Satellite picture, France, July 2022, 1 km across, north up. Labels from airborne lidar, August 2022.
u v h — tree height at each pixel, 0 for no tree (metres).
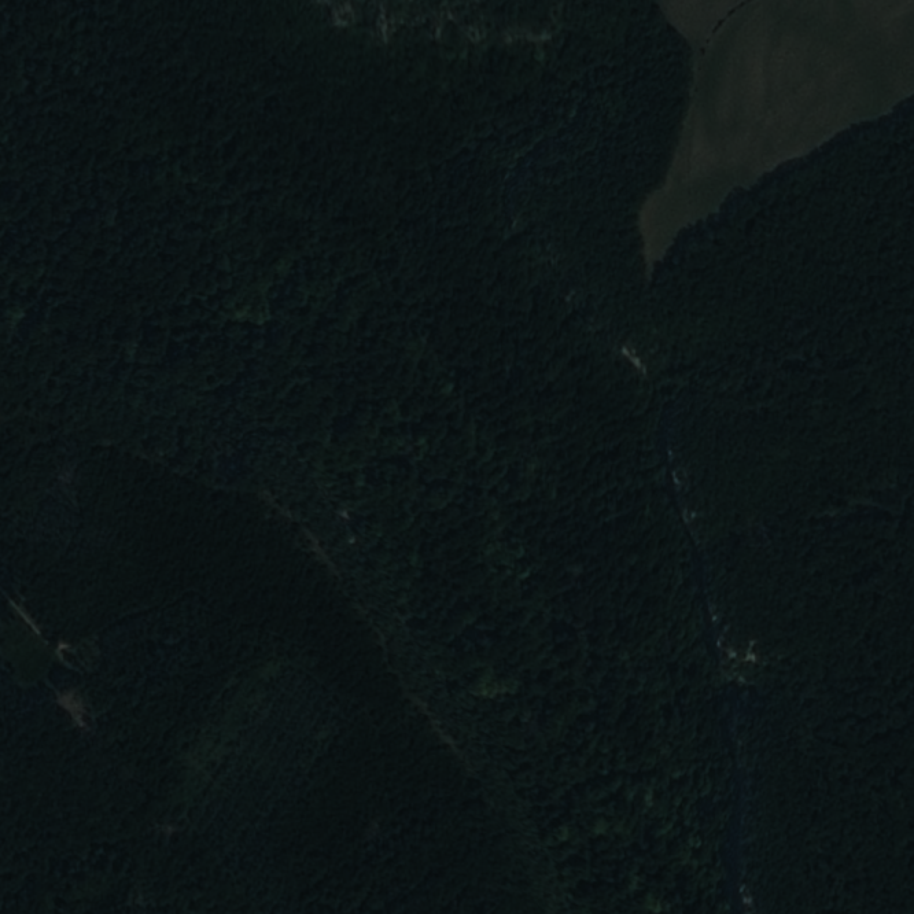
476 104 25
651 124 25
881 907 19
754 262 14
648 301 13
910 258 17
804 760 18
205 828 7
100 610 11
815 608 16
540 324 29
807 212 15
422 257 23
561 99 35
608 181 18
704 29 0
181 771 11
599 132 17
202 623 15
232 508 14
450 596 30
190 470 17
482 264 29
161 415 22
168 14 26
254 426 17
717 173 0
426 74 29
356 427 43
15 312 37
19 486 9
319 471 23
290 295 33
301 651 14
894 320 19
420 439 29
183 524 12
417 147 33
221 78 23
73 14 27
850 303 21
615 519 33
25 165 30
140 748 10
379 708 10
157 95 24
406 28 8
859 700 24
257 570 12
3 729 15
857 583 19
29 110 25
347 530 42
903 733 30
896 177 20
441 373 24
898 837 24
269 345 39
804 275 13
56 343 25
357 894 21
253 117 19
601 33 11
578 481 22
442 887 23
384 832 13
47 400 28
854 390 18
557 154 14
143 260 38
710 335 10
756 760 9
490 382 30
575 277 12
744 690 16
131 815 20
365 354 27
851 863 24
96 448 10
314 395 37
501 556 24
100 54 23
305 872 12
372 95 22
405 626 45
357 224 19
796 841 18
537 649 33
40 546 12
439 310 33
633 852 34
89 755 21
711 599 10
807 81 0
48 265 32
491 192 29
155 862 11
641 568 30
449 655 31
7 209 34
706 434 15
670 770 24
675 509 11
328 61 22
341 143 27
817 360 20
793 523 19
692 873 26
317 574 7
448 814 20
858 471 20
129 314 35
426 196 23
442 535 33
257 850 11
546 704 29
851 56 0
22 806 20
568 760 34
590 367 22
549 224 18
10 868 18
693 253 24
